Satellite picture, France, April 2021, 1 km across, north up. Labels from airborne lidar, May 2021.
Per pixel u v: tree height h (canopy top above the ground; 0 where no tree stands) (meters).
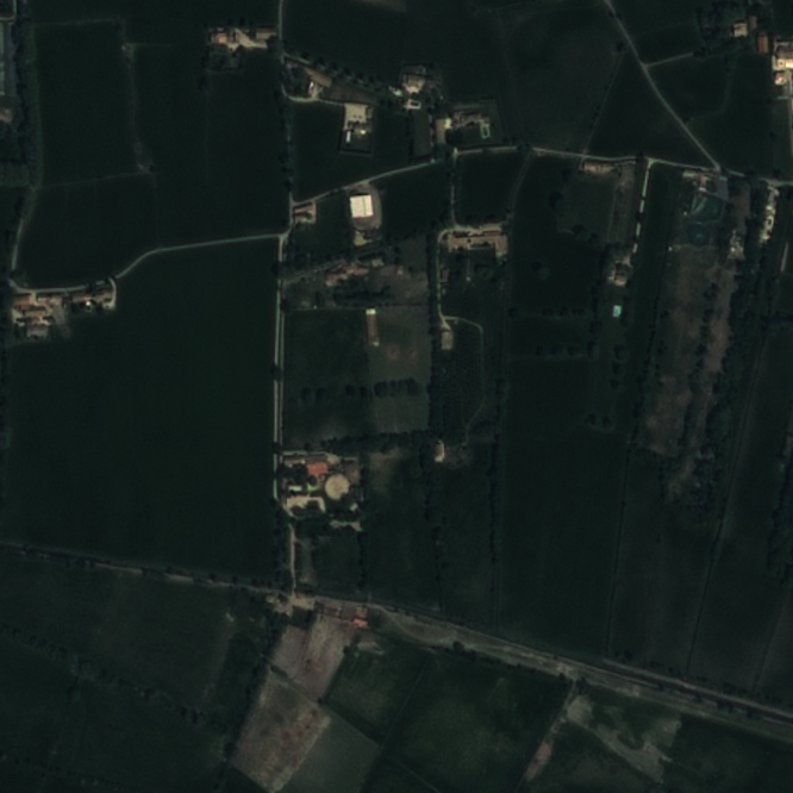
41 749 0
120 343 0
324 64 15
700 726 0
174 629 0
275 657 10
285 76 12
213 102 0
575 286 0
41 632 0
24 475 0
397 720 0
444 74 0
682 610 0
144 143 0
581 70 0
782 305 0
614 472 0
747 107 0
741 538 0
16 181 28
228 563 0
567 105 0
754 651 0
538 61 0
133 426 0
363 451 7
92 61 0
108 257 0
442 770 0
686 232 0
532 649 0
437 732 0
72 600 0
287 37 0
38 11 0
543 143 0
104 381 0
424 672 0
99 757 0
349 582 0
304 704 0
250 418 0
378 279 0
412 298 0
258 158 0
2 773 0
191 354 0
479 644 0
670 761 0
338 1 0
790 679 0
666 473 10
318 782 0
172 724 0
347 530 10
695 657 0
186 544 0
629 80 0
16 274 8
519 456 0
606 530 0
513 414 0
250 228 0
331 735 0
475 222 10
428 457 16
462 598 0
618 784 0
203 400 0
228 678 0
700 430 0
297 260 7
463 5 0
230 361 0
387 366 0
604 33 0
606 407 0
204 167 0
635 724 0
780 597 0
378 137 0
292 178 16
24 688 0
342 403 0
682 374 0
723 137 0
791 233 0
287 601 13
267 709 0
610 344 0
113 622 0
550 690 0
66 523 0
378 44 0
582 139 0
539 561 0
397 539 0
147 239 0
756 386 0
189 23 0
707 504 6
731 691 8
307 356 0
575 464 0
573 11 0
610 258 13
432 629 0
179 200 0
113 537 0
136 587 0
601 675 0
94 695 0
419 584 0
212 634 0
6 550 8
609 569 0
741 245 0
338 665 0
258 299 0
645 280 0
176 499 0
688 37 0
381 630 0
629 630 0
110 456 0
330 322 0
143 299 0
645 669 7
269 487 0
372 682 0
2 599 0
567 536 0
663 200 0
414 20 0
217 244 0
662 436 0
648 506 0
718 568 0
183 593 0
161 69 0
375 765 0
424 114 0
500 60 0
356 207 0
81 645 0
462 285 11
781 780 0
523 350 0
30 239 0
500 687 0
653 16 0
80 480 0
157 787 0
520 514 0
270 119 0
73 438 0
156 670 0
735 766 0
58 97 0
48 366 0
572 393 0
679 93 0
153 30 0
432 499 13
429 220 0
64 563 9
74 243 0
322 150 0
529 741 0
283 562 13
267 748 0
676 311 0
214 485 0
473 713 0
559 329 0
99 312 11
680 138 0
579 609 0
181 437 0
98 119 0
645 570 0
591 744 0
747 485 0
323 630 0
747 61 0
